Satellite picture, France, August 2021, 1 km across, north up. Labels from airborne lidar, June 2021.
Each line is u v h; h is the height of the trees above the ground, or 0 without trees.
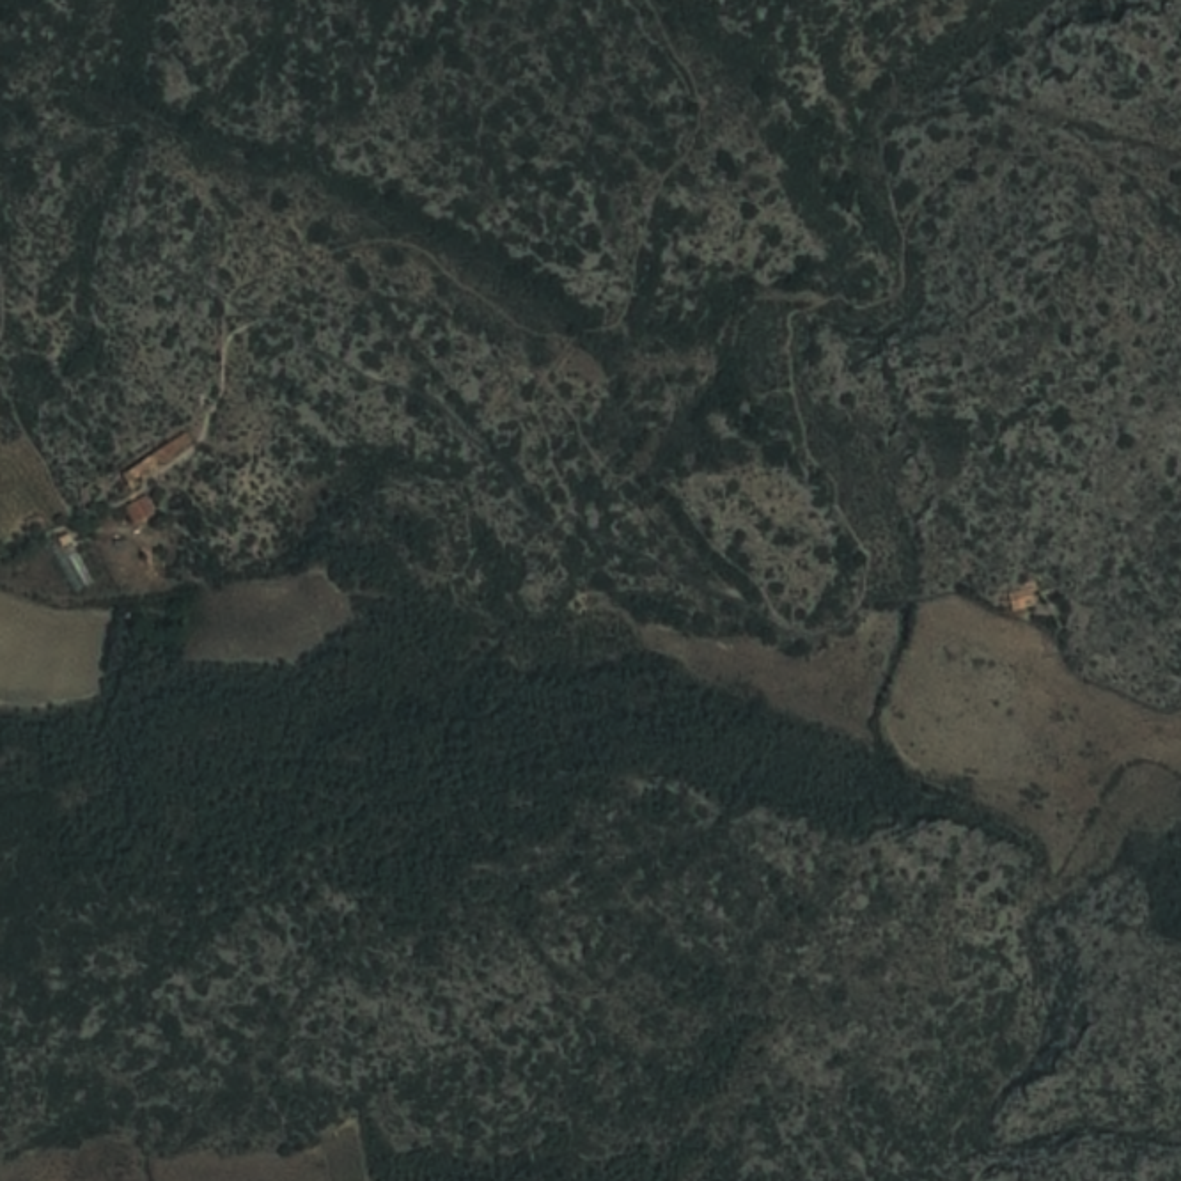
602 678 11
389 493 0
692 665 0
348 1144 0
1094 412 0
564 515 0
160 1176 0
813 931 0
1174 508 0
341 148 0
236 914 8
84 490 0
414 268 0
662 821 6
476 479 0
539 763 6
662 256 0
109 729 10
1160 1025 0
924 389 0
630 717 13
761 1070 0
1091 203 0
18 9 0
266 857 10
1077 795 0
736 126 0
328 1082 0
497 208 0
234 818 10
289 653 0
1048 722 0
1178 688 0
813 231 0
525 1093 0
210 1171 0
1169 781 0
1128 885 0
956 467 0
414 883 9
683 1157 11
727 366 7
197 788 11
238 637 0
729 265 7
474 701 8
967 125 0
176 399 0
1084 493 0
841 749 8
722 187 0
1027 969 0
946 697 0
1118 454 0
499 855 6
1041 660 0
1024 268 0
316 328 0
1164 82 0
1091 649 0
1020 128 0
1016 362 0
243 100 0
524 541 0
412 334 0
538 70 0
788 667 0
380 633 8
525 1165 7
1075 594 0
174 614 11
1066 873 0
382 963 7
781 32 0
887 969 0
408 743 6
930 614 0
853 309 6
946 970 0
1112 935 0
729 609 6
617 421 0
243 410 0
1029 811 0
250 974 0
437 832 10
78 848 6
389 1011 0
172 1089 0
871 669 0
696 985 7
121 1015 0
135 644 10
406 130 0
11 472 0
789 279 10
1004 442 0
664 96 0
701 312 6
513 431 0
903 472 0
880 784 9
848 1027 0
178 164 0
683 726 9
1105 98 0
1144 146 0
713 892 0
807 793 6
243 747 9
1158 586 0
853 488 0
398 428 0
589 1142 0
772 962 0
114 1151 0
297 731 10
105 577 0
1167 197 0
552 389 0
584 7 0
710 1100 7
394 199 6
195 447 6
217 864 7
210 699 13
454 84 0
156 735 10
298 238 0
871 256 0
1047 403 0
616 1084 0
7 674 0
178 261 0
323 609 0
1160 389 0
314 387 0
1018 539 0
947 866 7
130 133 7
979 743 0
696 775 11
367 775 11
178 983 0
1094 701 0
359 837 7
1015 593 0
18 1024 0
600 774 7
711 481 0
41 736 8
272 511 8
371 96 0
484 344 0
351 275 0
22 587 0
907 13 0
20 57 0
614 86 0
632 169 0
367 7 0
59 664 0
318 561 10
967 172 6
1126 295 0
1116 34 0
